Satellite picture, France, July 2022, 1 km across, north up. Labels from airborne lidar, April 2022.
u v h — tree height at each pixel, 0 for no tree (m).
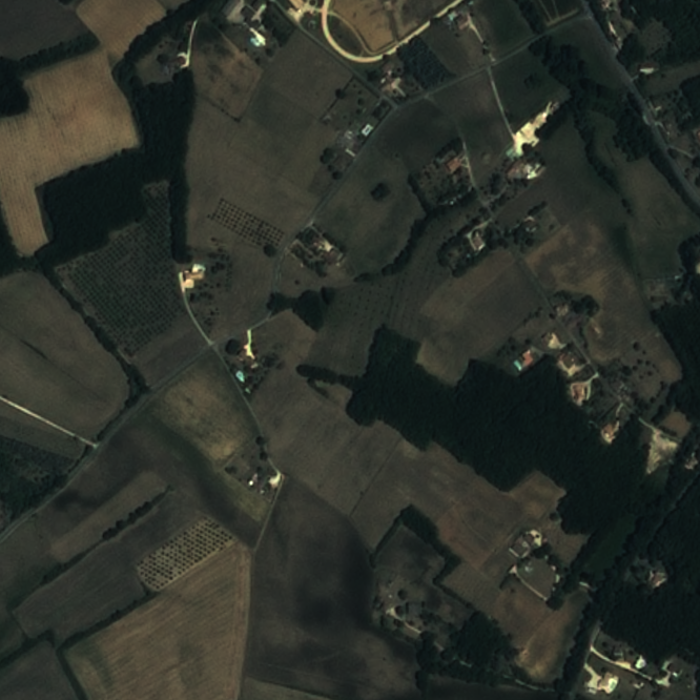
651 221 0
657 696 10
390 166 0
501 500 0
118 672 0
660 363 0
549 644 0
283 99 0
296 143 0
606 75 0
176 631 0
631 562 13
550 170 0
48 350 0
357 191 0
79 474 0
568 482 19
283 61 0
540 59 0
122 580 0
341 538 0
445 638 0
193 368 0
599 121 0
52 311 0
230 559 0
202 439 0
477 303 0
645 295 0
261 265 0
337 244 8
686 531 16
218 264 6
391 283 0
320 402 0
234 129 0
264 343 0
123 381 0
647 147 15
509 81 0
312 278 0
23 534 0
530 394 19
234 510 0
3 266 12
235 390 0
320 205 0
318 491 0
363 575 0
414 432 15
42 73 0
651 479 0
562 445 18
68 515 0
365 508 0
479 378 22
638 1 17
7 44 0
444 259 6
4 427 0
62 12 0
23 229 0
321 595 0
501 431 19
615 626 14
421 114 0
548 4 0
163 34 19
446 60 0
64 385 0
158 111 19
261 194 0
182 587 0
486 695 0
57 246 14
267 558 0
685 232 0
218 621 0
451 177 6
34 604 0
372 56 0
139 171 22
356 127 0
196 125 0
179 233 15
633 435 10
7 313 0
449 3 0
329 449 0
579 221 0
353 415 14
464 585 0
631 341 0
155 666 0
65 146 0
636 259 0
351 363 0
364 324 0
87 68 0
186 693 0
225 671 0
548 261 0
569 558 0
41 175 0
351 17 0
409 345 12
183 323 0
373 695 0
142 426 0
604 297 0
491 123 0
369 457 0
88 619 0
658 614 18
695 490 14
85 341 0
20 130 0
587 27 0
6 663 6
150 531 0
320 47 0
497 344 0
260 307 0
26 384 0
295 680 0
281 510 0
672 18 12
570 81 19
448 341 0
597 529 13
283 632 0
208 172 0
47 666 0
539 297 0
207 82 0
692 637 18
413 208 0
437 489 0
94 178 21
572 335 0
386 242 0
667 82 0
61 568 8
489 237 7
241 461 0
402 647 0
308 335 0
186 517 0
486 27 0
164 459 0
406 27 0
